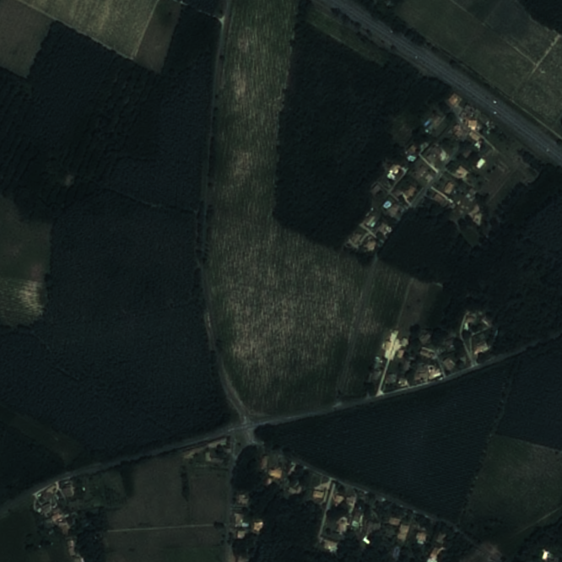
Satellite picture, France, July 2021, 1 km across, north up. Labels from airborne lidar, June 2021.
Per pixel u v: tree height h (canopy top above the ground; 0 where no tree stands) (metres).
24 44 0
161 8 0
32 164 15
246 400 0
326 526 0
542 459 0
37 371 11
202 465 0
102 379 14
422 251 14
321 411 0
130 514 0
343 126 7
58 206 12
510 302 19
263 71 0
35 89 11
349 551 18
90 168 9
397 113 14
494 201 0
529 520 0
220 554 0
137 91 8
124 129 12
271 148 0
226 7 0
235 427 0
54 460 9
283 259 0
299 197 10
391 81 11
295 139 11
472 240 0
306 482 20
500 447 0
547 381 9
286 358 0
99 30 0
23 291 0
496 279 19
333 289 0
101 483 0
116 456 13
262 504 25
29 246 0
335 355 0
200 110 10
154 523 0
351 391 0
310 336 0
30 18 0
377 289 0
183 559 0
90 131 7
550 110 0
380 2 9
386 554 24
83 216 19
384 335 0
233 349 0
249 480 17
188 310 15
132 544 0
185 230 16
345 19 19
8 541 0
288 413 0
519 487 0
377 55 0
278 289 0
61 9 0
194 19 12
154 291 15
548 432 9
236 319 0
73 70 14
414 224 15
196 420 14
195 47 11
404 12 0
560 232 23
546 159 0
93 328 15
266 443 11
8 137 12
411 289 0
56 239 17
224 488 0
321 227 11
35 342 12
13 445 15
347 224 17
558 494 0
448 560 8
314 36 6
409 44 0
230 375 0
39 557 0
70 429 11
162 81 11
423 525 11
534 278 13
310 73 9
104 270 19
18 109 13
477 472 7
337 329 0
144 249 17
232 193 0
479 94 0
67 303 15
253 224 0
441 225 16
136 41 0
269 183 0
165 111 10
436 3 0
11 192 9
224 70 0
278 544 26
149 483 0
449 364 0
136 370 16
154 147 10
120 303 15
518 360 10
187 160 11
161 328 15
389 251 13
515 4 0
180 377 15
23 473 14
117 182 11
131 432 12
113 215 18
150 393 17
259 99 0
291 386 0
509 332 14
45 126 14
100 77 14
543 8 20
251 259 0
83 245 18
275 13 0
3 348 11
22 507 0
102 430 11
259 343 0
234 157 0
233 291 0
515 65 0
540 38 0
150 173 10
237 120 0
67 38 13
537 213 21
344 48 6
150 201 11
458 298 15
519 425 8
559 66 0
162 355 16
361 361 0
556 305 18
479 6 0
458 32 0
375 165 11
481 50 0
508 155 0
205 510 0
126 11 0
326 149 6
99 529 7
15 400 12
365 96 7
